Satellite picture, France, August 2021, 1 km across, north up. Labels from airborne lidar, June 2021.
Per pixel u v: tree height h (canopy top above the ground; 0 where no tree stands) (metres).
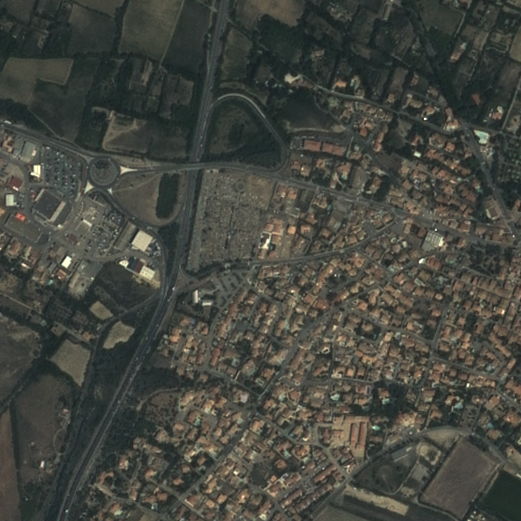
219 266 7
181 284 0
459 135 14
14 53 6
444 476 0
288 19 0
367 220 0
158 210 6
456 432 0
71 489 0
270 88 6
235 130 7
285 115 0
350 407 9
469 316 6
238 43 0
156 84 0
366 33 0
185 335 7
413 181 7
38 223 0
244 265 0
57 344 7
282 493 0
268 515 0
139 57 11
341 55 11
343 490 0
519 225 8
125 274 0
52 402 0
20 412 0
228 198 0
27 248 0
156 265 0
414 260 0
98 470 7
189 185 0
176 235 7
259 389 9
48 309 11
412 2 16
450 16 0
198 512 0
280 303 0
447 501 0
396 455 0
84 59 7
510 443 9
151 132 0
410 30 0
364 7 6
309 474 0
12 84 0
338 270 0
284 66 10
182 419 0
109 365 6
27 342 0
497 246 6
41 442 0
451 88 18
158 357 0
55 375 8
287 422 7
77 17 0
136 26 0
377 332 7
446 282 6
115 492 8
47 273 0
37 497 6
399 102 10
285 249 0
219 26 0
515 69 0
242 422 0
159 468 0
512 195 13
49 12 0
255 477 0
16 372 0
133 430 10
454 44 9
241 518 0
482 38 0
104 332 9
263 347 0
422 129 10
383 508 0
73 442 7
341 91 6
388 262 7
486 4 9
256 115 6
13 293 0
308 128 0
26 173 0
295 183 0
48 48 11
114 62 7
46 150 0
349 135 0
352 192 0
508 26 6
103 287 7
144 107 8
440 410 9
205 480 0
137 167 0
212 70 0
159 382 6
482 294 0
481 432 12
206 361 0
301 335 0
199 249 0
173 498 10
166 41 0
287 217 0
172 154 0
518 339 0
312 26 8
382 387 7
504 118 6
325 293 0
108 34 0
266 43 8
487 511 10
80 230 0
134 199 0
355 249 0
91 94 8
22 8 0
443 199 0
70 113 0
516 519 0
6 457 0
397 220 0
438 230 0
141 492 10
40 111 0
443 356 10
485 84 8
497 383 6
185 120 6
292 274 0
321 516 0
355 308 0
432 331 10
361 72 11
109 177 0
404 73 0
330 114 7
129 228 0
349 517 0
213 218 0
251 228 0
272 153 9
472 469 0
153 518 0
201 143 0
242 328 0
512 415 0
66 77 0
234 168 0
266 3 0
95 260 0
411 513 0
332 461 0
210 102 0
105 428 0
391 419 6
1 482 0
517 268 0
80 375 0
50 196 0
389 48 0
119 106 14
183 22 0
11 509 0
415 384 10
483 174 15
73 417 9
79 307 8
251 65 7
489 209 0
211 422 0
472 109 13
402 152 9
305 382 0
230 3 6
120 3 0
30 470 0
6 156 0
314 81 11
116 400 0
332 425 0
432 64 18
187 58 0
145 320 6
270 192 0
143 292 0
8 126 0
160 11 0
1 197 0
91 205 0
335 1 6
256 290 0
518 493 0
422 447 0
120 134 0
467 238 0
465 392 7
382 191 9
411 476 0
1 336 0
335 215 0
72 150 0
